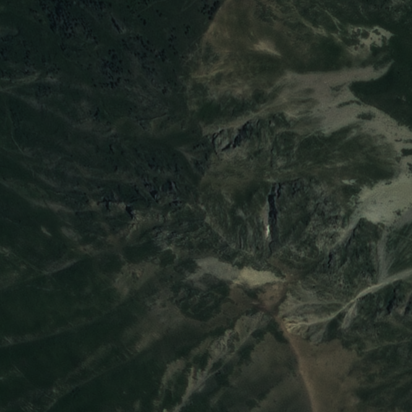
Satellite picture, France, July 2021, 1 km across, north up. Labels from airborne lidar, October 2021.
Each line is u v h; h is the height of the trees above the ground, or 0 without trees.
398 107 0
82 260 0
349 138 0
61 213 0
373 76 0
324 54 0
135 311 0
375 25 0
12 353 0
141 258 0
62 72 0
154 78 0
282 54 0
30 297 0
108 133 0
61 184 0
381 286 0
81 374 0
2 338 0
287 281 0
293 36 0
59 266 0
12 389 0
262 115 0
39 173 0
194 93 0
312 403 0
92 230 0
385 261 0
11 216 0
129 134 0
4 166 0
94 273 0
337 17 0
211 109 0
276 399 0
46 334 0
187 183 0
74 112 0
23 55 0
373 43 0
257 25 0
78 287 0
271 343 0
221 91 0
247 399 0
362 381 0
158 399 0
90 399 0
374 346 0
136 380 0
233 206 0
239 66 0
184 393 0
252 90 0
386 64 0
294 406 0
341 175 0
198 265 0
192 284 0
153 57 0
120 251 0
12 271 0
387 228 0
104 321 0
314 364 0
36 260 0
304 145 0
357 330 0
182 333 0
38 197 0
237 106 0
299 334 0
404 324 0
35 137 0
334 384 0
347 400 0
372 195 0
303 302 0
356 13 0
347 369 0
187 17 0
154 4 0
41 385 0
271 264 0
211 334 0
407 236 0
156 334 0
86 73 0
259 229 0
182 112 0
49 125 0
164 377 0
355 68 0
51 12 6
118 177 0
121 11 0
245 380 0
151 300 0
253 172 0
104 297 0
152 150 0
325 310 0
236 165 0
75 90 0
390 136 0
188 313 0
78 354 0
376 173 0
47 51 0
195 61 0
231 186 0
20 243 0
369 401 0
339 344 0
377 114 0
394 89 0
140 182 0
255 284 0
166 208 0
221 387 0
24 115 0
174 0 0
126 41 8
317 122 0
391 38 0
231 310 0
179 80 0
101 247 0
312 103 0
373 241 0
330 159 0
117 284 0
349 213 0
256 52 0
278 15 0
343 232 0
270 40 0
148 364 0
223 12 0
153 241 0
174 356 0
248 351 0
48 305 0
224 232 0
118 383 0
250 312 0
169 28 0
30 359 0
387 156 0
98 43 7
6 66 0
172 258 0
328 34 0
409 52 0
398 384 0
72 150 0
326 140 0
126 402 0
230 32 0
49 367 0
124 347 0
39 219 0
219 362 0
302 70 0
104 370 0
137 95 0
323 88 0
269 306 0
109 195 0
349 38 0
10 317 0
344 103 0
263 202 0
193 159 0
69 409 0
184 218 0
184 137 0
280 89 0
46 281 0
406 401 0
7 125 0
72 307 0
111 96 0
